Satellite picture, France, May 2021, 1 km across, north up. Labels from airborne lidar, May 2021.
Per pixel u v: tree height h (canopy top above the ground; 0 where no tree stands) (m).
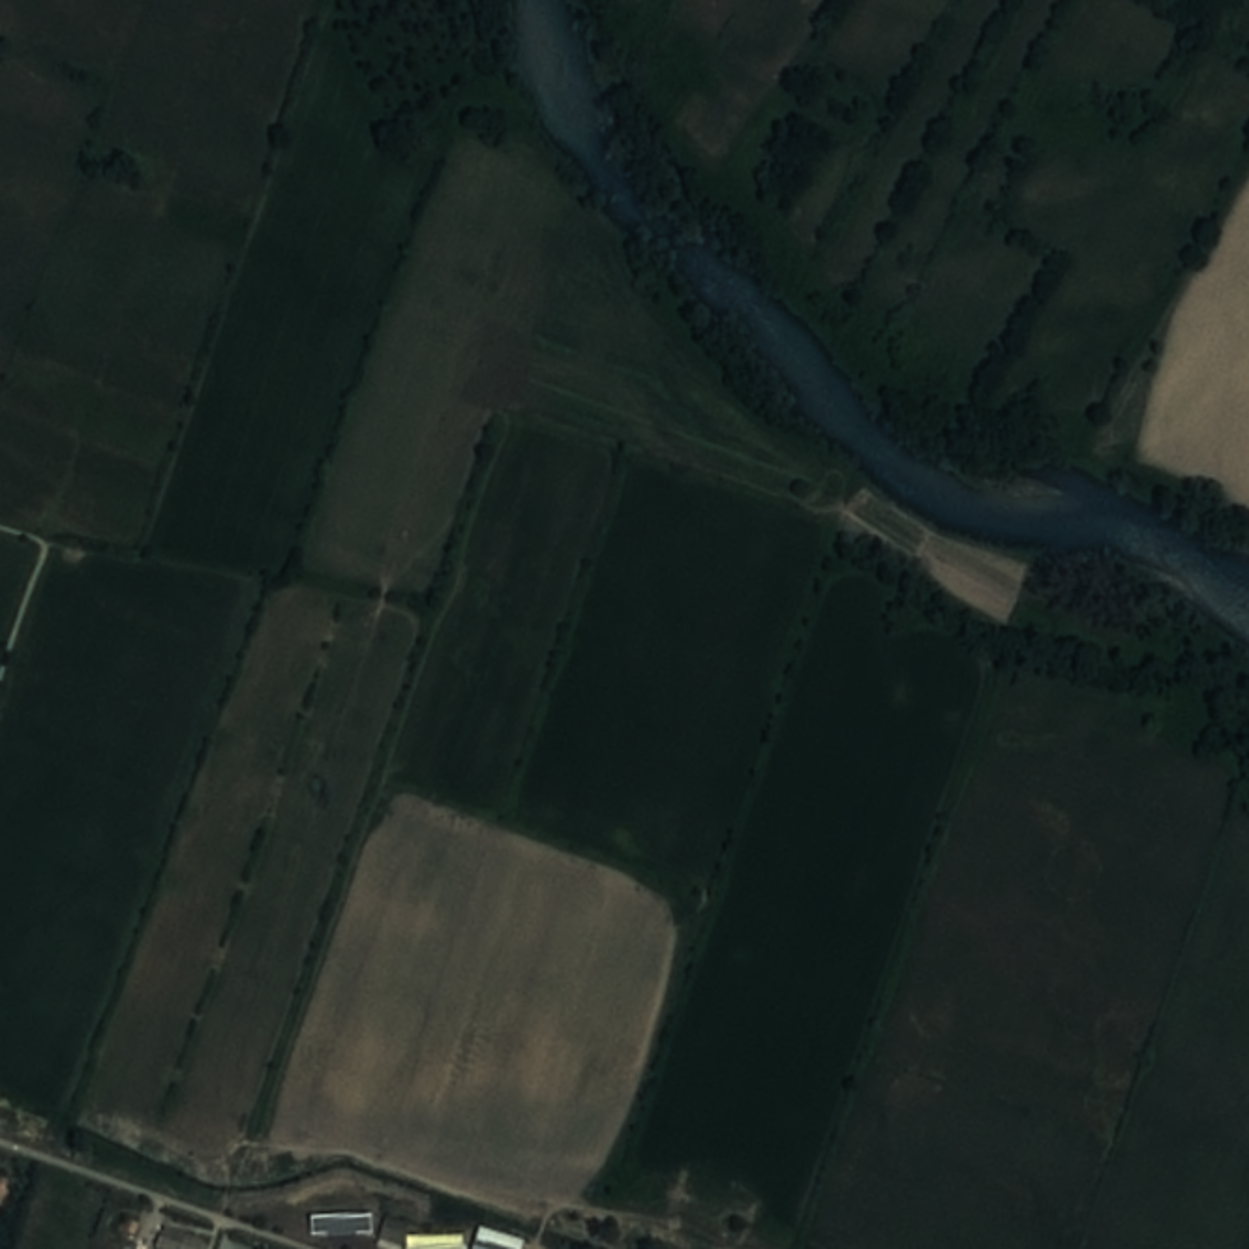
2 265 0
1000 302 0
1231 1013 0
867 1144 0
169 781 0
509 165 0
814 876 0
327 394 0
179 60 0
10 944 0
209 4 0
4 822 0
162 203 0
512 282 0
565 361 0
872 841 0
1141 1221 0
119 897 0
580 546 0
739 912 0
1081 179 0
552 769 0
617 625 0
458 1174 0
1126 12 0
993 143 17
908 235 0
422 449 0
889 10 0
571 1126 0
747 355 23
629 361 0
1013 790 0
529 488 0
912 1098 0
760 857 0
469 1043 0
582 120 0
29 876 0
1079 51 0
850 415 0
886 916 0
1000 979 0
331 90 0
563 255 0
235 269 9
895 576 21
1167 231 0
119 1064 0
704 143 0
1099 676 18
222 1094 0
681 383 0
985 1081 0
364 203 0
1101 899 0
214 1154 0
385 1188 0
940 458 13
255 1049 0
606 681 0
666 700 0
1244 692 21
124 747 0
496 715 0
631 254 15
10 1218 20
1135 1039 0
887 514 0
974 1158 0
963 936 0
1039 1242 0
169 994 0
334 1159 0
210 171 0
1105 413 16
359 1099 0
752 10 0
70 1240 0
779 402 21
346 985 0
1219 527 21
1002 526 0
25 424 0
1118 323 0
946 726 0
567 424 0
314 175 0
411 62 15
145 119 0
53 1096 0
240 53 0
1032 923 0
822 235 11
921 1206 0
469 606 0
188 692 0
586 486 0
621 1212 0
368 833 0
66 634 0
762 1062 0
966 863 0
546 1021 0
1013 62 0
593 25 16
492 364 0
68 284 0
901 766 0
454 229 0
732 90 0
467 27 11
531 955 0
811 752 0
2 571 0
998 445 28
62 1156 0
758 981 0
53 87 0
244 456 0
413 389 0
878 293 0
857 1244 0
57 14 0
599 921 0
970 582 0
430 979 0
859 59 0
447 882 0
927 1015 0
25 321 0
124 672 0
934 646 0
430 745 0
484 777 0
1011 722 0
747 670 0
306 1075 0
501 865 0
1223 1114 0
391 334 0
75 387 0
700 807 0
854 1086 12
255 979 0
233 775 0
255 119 0
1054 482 0
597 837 0
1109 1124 0
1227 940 0
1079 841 0
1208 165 0
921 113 0
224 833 0
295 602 0
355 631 0
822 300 9
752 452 0
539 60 0
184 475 0
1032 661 25
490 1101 0
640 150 20
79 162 8
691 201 12
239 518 0
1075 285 0
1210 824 0
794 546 0
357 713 0
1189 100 0
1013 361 13
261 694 0
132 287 0
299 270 0
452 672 0
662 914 0
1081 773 0
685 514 0
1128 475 19
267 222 0
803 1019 0
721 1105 0
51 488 0
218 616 0
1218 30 9
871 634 0
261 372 0
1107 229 0
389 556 0
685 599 0
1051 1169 0
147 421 0
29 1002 0
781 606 0
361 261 0
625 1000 0
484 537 0
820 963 0
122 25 0
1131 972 0
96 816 0
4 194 0
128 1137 0
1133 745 0
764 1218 0
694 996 0
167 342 0
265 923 0
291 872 0
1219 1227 0
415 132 16
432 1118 0
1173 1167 0
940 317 0
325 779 0
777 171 17
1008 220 5
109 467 0
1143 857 0
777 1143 0
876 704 0
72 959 0
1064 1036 0
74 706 0
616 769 0
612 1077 0
